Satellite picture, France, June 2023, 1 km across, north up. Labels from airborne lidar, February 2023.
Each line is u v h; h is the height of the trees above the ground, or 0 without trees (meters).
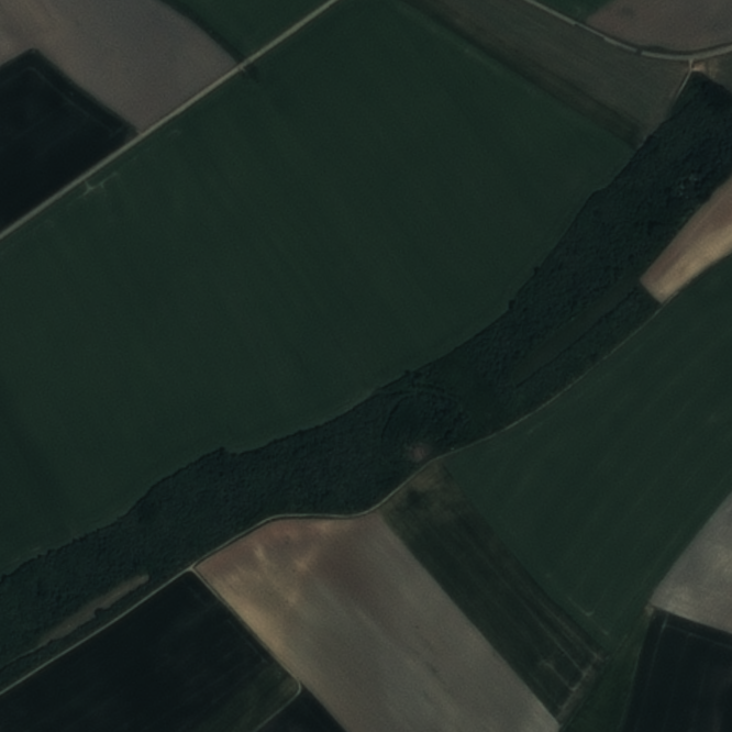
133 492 0
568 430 0
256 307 0
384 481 6
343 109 0
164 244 0
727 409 0
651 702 0
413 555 0
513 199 0
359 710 0
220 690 0
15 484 0
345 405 0
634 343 0
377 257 0
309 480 7
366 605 0
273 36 0
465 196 0
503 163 0
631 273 0
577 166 0
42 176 0
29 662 7
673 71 0
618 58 0
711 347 0
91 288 0
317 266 0
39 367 0
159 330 0
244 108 0
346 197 0
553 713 0
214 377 0
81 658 0
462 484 0
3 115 0
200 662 0
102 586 5
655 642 0
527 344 7
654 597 0
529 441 0
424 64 0
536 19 0
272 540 0
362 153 0
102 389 0
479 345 7
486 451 0
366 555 0
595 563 0
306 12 0
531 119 0
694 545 0
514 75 0
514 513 0
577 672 0
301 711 0
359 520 0
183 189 0
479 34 0
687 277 0
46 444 0
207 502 9
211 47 0
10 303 0
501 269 0
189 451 0
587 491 0
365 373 0
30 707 0
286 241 0
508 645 0
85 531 0
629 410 0
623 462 0
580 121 0
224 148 0
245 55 0
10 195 0
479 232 0
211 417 0
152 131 0
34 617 6
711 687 0
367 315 0
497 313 0
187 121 0
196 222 0
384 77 0
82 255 0
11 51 0
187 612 0
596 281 7
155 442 0
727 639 0
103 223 0
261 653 0
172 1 0
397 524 0
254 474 6
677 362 0
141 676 0
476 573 0
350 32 0
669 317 0
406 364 0
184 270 0
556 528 0
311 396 0
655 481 0
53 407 0
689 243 0
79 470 0
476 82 0
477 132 0
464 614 0
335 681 0
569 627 0
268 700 0
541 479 0
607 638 0
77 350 0
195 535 7
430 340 0
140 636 0
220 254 0
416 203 0
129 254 0
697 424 0
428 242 0
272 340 0
